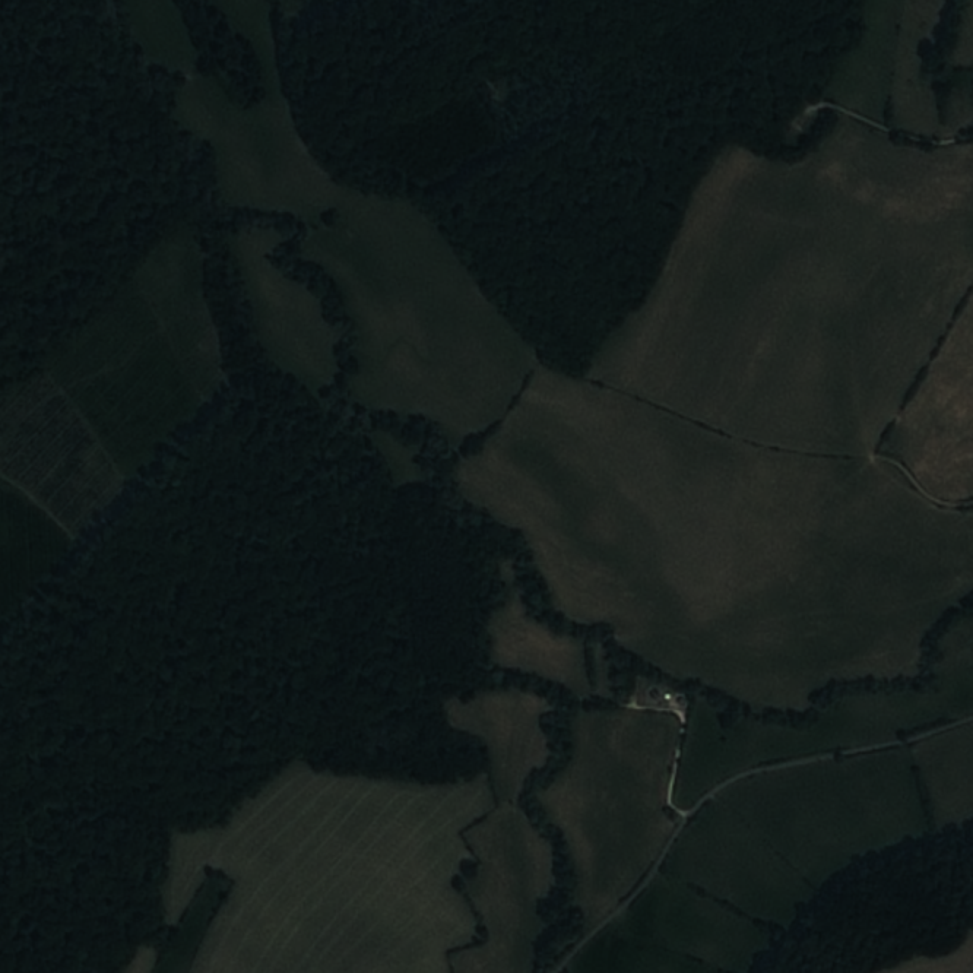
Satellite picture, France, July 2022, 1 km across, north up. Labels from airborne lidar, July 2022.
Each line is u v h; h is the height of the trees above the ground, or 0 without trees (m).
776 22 20
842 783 0
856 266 0
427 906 0
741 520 0
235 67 6
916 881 24
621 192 28
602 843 0
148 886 26
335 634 22
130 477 0
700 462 0
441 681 8
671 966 0
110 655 25
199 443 25
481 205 29
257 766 22
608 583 0
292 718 22
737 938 0
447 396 0
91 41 22
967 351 0
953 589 0
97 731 31
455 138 5
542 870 0
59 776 22
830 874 0
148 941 19
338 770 18
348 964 0
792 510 0
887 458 0
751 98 28
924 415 0
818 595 0
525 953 0
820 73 18
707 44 22
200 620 26
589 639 14
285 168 0
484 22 20
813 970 27
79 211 22
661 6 23
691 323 0
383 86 25
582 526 0
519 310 23
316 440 15
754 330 0
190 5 18
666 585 0
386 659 24
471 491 0
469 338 0
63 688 28
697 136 28
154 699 23
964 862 23
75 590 25
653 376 0
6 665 31
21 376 11
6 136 18
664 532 0
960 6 9
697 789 0
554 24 18
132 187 19
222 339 7
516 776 0
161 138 23
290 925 0
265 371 20
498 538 10
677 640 0
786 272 0
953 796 0
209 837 0
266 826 0
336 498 25
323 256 0
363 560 22
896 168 0
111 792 21
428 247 0
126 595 27
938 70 18
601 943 0
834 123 12
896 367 0
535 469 0
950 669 0
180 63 0
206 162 26
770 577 0
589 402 0
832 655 0
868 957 17
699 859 0
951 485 0
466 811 0
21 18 22
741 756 0
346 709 22
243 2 0
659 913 0
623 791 0
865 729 0
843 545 0
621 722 0
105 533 23
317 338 0
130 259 23
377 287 0
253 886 0
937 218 0
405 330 0
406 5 31
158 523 25
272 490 23
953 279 0
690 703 9
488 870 0
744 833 0
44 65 22
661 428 0
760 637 0
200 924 0
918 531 0
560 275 26
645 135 24
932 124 0
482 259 25
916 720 0
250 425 22
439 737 20
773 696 0
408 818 0
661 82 22
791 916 0
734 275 0
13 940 30
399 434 6
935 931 21
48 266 21
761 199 0
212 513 25
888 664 0
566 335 24
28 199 26
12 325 22
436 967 0
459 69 23
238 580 23
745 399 0
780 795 0
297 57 25
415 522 19
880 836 0
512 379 0
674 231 19
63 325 23
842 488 0
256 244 0
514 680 18
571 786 0
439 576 23
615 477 0
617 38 25
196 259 0
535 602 15
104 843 30
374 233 0
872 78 0
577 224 28
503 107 7
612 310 22
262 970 0
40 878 24
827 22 29
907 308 0
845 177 0
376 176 18
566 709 12
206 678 26
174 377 0
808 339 0
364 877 0
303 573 22
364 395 0
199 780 25
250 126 0
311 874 0
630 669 14
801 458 0
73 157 26
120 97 23
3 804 25
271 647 24
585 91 27
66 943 23
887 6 0
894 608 0
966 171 0
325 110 27
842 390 0
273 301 0
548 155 29
